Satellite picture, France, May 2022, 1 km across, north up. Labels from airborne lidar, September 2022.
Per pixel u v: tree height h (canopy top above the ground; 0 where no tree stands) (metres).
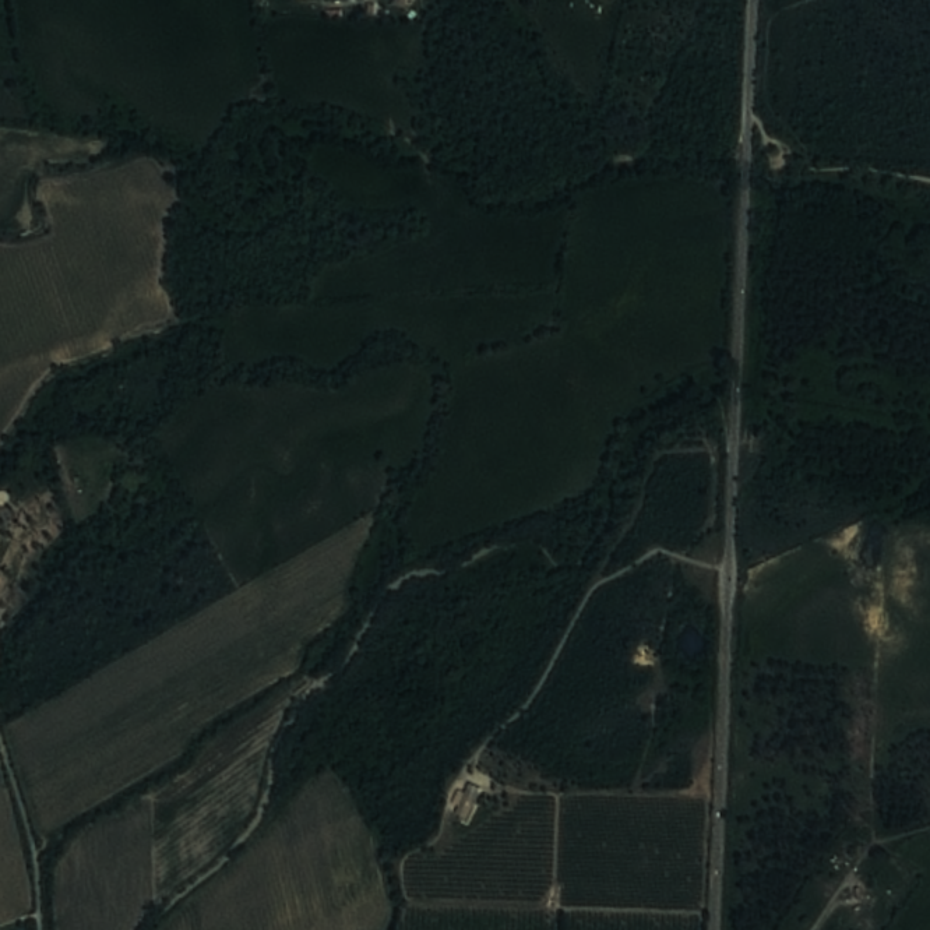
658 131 10
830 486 6
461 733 6
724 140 6
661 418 6
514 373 0
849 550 0
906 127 7
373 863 0
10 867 0
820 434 11
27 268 0
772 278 14
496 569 7
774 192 6
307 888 0
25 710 8
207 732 10
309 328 0
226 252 13
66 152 0
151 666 0
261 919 0
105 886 0
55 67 0
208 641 0
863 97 6
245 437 0
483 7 10
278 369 8
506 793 8
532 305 0
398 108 0
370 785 9
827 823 12
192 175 12
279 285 11
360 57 0
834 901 0
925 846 0
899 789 15
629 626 7
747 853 10
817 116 8
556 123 8
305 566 0
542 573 12
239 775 0
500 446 0
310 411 0
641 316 0
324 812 0
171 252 9
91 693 0
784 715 12
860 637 0
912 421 7
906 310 12
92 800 0
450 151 10
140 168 0
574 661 6
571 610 9
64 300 0
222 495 0
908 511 9
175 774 7
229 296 10
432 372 0
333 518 0
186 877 0
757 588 0
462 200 0
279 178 11
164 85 0
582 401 0
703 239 0
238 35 0
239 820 0
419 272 0
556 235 0
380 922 0
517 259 0
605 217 0
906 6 8
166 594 13
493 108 10
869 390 12
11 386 0
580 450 0
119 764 0
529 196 15
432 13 9
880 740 0
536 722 8
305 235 12
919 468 11
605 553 8
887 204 6
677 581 6
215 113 0
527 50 13
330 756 6
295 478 0
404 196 0
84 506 0
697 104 8
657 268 0
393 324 0
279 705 0
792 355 17
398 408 0
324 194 9
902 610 0
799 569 0
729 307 8
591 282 0
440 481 0
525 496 0
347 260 10
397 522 9
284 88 0
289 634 0
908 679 0
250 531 0
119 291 0
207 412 0
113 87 0
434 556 8
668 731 6
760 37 7
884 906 0
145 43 0
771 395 10
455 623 6
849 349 16
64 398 7
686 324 0
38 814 0
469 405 0
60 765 0
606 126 16
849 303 15
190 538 6
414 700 13
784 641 0
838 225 14
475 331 0
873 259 18
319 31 0
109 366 11
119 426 9
